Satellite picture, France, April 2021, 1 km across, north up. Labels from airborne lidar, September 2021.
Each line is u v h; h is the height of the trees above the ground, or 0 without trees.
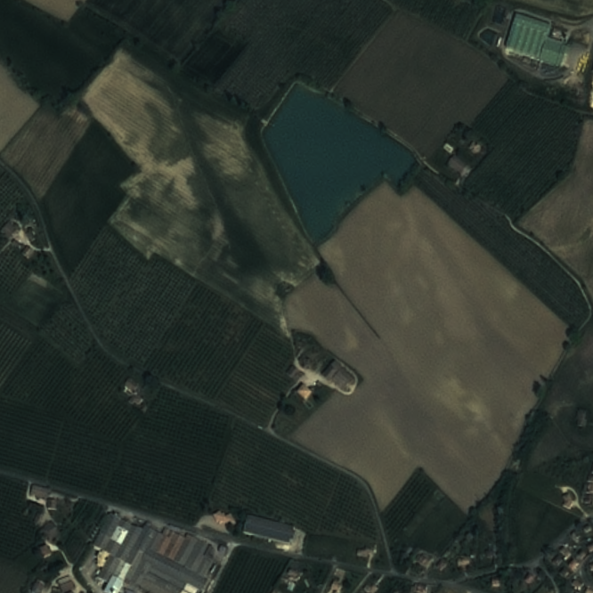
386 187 0
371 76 0
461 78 0
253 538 8
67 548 6
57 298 0
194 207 0
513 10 0
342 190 0
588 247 0
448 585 0
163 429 6
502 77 0
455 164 0
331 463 0
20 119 0
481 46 9
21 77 14
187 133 0
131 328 6
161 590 0
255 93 7
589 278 0
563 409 0
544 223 0
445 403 0
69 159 0
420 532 0
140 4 0
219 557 0
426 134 0
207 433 6
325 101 0
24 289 0
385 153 0
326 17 6
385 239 0
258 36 6
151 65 0
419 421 0
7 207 5
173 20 0
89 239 0
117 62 0
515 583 9
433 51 0
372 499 0
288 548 0
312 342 0
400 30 0
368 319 0
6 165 0
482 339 0
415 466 0
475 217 5
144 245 0
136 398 0
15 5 0
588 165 0
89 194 0
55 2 0
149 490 6
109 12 0
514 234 6
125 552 0
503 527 7
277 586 7
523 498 0
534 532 0
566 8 0
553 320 0
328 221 0
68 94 20
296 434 0
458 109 0
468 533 8
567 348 13
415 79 0
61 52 0
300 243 0
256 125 0
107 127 0
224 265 0
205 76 0
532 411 7
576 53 0
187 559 0
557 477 6
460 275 0
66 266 0
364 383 0
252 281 0
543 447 0
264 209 0
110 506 0
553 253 0
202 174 0
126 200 0
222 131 0
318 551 0
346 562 0
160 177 0
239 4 6
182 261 0
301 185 0
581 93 0
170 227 0
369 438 0
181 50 0
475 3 15
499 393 0
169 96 0
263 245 0
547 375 0
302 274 0
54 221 0
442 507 0
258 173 0
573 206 0
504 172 5
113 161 0
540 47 0
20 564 0
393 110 0
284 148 0
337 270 0
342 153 0
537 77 0
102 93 0
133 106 0
